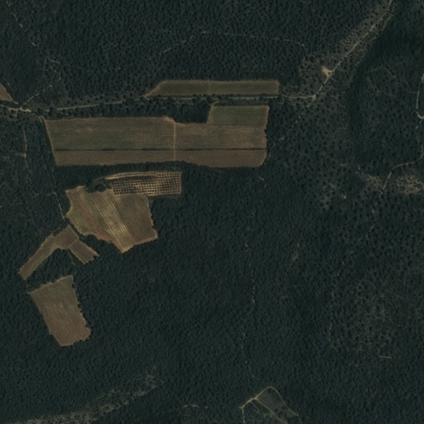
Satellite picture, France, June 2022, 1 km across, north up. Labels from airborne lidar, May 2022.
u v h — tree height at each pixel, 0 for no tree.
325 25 20
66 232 0
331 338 8
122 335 17
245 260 16
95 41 6
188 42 15
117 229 0
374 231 6
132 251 6
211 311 10
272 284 15
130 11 17
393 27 19
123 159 0
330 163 14
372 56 8
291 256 12
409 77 7
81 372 19
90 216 0
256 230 7
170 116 8
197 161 0
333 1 6
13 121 6
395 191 13
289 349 17
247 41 18
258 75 6
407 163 15
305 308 11
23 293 16
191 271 18
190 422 7
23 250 16
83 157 0
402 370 18
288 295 19
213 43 18
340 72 7
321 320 12
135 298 9
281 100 21
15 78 12
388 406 18
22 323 15
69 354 8
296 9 18
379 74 6
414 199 14
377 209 17
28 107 16
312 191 7
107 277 15
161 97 7
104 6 17
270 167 12
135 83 15
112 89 16
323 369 17
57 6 17
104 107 20
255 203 11
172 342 12
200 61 16
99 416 12
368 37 8
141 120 0
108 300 17
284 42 18
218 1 13
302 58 13
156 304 15
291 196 12
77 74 15
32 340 17
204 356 15
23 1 9
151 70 17
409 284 6
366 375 17
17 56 13
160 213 16
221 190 14
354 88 13
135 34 15
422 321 18
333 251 12
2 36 17
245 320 14
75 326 0
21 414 17
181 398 18
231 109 0
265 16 15
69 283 0
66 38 15
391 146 10
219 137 0
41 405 20
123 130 0
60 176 8
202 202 20
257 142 0
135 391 12
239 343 15
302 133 6
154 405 19
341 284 7
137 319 18
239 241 14
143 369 18
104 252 17
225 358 15
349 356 10
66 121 0
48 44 10
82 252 0
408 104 6
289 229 18
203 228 18
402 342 10
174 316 16
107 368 15
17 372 15
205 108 13
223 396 15
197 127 0
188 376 17
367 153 9
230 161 0
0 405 18
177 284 16
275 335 16
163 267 8
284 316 17
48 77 6
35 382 18
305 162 7
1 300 17
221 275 11
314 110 17
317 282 11
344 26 20
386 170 6
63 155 0
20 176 9
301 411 13
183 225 18
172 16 16
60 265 13
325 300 7
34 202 7
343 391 17
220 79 7
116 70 18
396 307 8
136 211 0
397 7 11
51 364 17
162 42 17
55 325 0
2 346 19
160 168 19
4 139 11
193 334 15
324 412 15
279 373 17
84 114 21
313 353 20
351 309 14
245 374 19
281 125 7
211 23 19
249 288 10
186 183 9
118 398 9
